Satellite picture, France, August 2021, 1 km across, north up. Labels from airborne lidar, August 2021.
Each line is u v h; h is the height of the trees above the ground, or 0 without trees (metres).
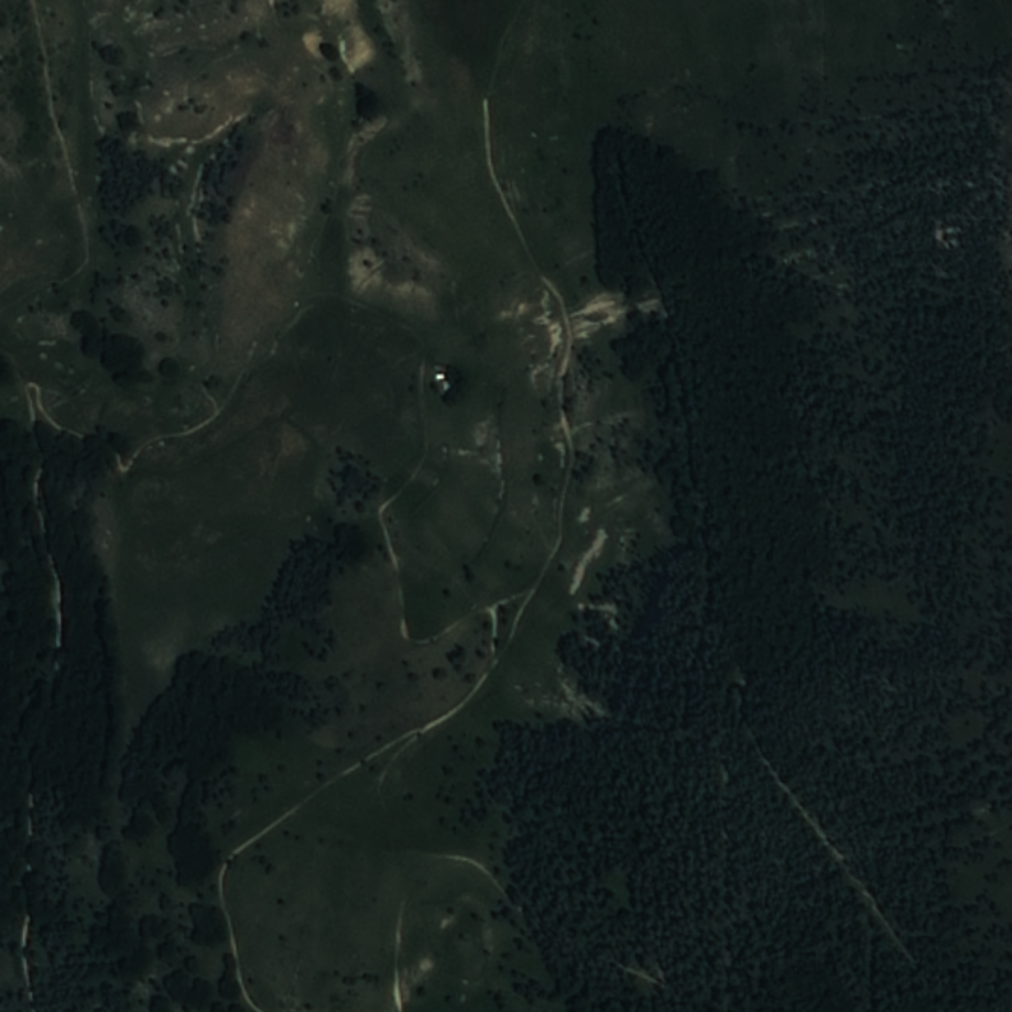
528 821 9
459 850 0
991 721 9
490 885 0
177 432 0
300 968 0
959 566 7
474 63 0
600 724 13
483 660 9
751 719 12
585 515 0
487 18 0
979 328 12
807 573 7
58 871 6
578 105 0
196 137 0
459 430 0
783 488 14
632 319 10
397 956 0
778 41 0
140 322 0
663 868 14
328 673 0
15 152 0
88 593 12
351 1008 0
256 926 0
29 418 0
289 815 0
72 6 0
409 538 0
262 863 6
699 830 23
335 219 0
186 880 10
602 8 0
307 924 0
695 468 16
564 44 0
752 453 10
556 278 0
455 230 0
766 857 18
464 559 0
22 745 11
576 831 14
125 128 11
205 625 0
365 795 0
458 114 0
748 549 17
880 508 9
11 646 21
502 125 0
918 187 9
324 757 0
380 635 0
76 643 14
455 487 0
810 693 14
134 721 0
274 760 0
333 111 0
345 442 0
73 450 15
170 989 10
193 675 11
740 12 0
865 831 12
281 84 0
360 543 15
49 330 0
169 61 0
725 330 19
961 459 10
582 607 0
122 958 14
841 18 0
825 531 9
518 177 0
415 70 0
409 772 0
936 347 8
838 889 24
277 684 10
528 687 0
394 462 0
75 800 12
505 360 0
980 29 0
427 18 0
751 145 0
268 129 0
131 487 0
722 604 16
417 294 0
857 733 7
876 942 6
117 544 0
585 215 0
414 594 0
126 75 0
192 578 0
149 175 7
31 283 0
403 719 0
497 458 0
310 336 0
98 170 0
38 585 14
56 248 0
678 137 0
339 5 0
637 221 20
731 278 13
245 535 0
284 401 0
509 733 14
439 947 0
